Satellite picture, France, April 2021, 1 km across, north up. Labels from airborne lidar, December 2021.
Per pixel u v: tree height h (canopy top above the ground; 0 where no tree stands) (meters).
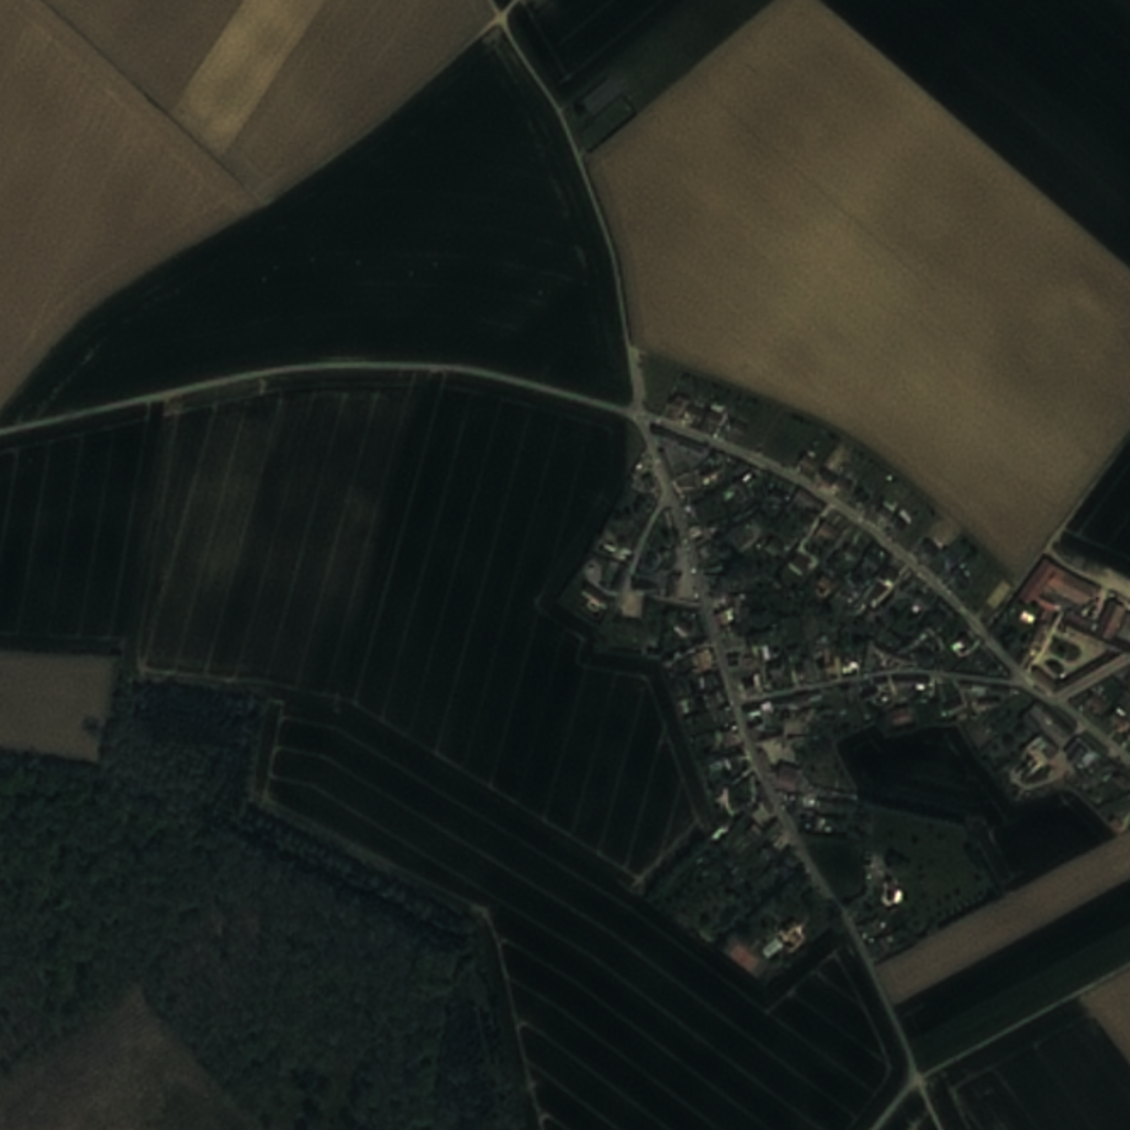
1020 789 0
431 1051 13
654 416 0
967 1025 0
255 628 0
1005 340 0
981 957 0
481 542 0
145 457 0
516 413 0
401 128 0
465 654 0
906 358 0
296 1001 23
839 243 0
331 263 0
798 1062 0
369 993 22
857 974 0
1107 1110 0
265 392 0
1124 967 0
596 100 0
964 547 8
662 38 0
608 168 0
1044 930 0
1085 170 0
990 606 0
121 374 0
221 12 0
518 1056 0
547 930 0
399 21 0
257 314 0
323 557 0
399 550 0
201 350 0
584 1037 0
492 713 0
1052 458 0
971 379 0
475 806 0
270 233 0
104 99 0
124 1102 0
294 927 19
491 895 0
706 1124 0
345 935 24
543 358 0
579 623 0
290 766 0
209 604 0
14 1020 21
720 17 0
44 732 0
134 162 0
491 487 0
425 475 0
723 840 8
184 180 0
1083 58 0
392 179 0
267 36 0
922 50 0
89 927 24
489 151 0
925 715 0
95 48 0
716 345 0
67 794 13
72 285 0
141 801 21
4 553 0
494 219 0
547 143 0
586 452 0
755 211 0
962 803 0
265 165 0
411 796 0
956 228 0
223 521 0
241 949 23
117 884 23
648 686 0
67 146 0
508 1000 0
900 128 0
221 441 0
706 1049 0
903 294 0
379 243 0
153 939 14
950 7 0
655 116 0
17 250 0
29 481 0
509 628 0
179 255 0
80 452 0
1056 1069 0
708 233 0
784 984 0
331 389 0
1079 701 0
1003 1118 0
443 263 0
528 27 0
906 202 0
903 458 0
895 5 0
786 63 0
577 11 0
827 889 0
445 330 0
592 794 0
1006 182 0
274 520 0
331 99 0
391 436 0
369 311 0
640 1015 0
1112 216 0
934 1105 0
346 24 0
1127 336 0
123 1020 0
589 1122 0
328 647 0
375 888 7
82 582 0
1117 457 0
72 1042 21
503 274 0
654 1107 0
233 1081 23
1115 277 0
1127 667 0
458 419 0
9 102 0
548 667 0
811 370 0
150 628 0
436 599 0
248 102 0
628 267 0
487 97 0
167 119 0
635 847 0
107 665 0
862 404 0
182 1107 0
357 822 0
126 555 0
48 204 0
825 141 0
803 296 0
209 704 13
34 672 0
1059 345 0
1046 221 0
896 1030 0
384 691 0
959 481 0
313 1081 19
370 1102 15
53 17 0
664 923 0
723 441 0
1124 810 0
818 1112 0
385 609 0
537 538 0
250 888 22
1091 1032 0
